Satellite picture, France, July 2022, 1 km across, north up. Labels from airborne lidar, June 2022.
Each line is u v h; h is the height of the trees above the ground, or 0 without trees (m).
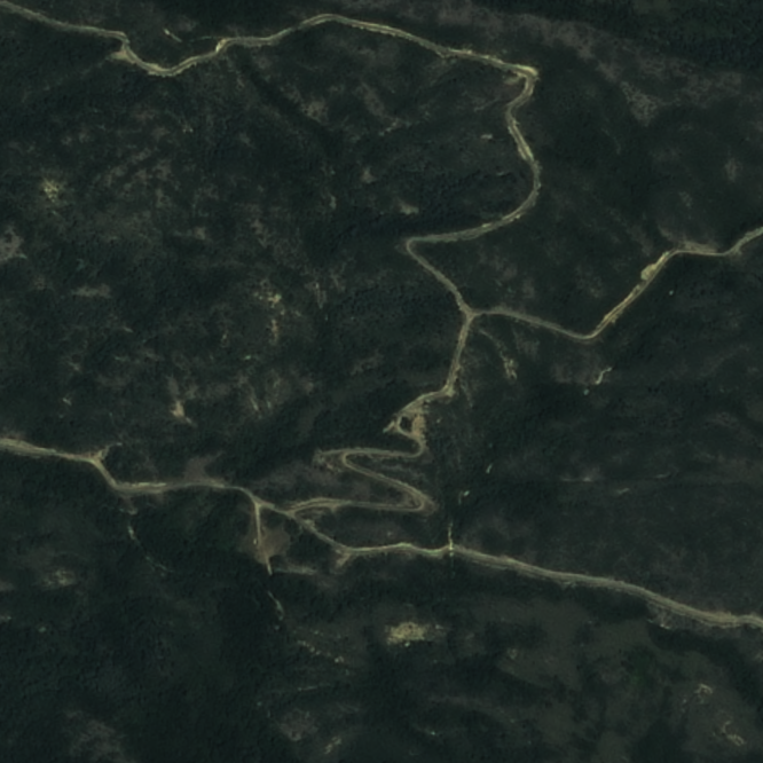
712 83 0
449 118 0
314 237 6
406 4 0
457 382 0
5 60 7
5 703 10
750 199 0
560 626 0
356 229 9
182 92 9
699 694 0
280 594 13
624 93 0
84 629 6
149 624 6
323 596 8
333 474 0
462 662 7
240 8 8
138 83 8
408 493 0
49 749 7
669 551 0
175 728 8
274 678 7
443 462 9
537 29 0
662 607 0
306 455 6
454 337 0
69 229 8
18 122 6
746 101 0
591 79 0
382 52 0
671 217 0
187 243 6
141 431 6
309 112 0
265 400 0
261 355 8
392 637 0
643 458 0
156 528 15
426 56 0
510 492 6
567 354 0
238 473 9
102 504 9
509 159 0
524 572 0
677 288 10
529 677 0
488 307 9
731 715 0
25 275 6
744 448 0
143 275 9
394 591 10
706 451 0
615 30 6
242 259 5
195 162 5
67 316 10
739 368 0
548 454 9
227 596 10
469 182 9
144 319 9
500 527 0
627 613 6
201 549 8
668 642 6
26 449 0
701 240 0
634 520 0
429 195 8
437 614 11
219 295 5
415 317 7
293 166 8
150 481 0
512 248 0
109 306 11
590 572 0
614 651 0
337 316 9
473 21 0
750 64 10
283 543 0
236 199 5
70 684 11
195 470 0
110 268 9
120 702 7
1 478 6
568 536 0
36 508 8
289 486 0
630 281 0
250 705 8
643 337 11
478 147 0
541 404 8
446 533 8
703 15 6
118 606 8
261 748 13
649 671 0
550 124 0
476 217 7
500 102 0
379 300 10
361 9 0
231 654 8
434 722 7
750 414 0
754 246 0
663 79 0
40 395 8
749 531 0
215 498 6
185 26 0
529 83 0
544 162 0
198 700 7
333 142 6
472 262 0
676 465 0
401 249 0
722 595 0
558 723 0
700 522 0
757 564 0
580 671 7
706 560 0
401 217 6
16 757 10
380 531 0
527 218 0
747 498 0
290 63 0
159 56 0
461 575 6
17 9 0
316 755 0
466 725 5
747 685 9
